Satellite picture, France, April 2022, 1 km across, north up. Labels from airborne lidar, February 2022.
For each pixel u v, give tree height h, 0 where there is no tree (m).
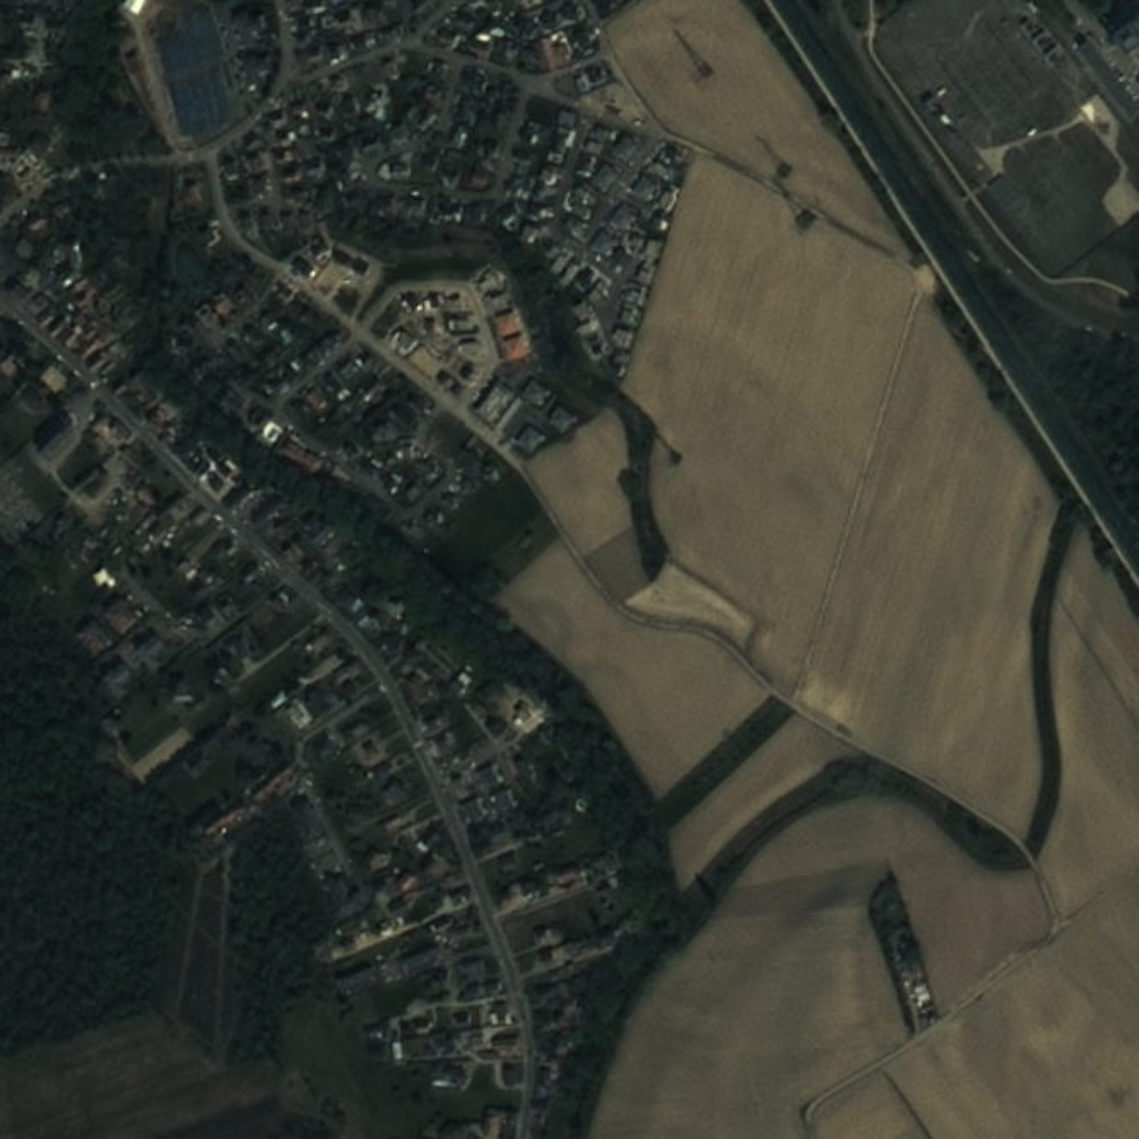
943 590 0
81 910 18
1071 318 0
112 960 17
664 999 0
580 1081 23
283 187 0
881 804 0
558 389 0
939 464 0
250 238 0
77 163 13
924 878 0
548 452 0
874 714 0
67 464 0
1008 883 0
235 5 0
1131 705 0
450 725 0
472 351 0
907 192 0
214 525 0
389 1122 0
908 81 0
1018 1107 0
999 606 0
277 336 0
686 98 0
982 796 0
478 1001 0
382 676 0
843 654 0
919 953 20
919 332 0
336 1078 0
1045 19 0
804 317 0
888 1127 0
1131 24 0
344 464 0
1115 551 10
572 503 0
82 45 23
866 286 0
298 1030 0
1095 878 0
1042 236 0
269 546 0
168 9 0
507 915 0
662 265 0
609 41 0
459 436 0
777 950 0
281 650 0
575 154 0
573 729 19
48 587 0
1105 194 0
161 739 0
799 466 0
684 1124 0
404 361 0
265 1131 0
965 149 0
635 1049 0
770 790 0
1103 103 0
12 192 0
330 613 0
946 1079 0
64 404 11
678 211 0
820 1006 0
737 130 0
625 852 13
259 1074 0
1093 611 0
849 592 0
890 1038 0
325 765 0
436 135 7
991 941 0
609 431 0
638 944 21
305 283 0
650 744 0
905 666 0
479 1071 0
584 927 0
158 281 17
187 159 0
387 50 0
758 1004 0
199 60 0
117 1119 0
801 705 0
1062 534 7
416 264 0
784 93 0
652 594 0
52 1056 0
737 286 0
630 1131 0
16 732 24
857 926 0
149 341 8
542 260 0
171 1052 0
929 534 0
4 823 19
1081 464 0
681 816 0
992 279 15
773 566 0
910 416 0
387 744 0
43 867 18
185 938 0
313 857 0
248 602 0
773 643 0
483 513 0
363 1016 0
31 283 0
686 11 0
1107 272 0
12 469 0
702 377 0
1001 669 0
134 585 0
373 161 0
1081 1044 0
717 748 0
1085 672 0
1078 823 0
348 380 0
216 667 11
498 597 0
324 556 0
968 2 0
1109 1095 0
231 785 0
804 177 0
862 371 0
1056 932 0
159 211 0
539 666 18
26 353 23
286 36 0
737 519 0
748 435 0
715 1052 0
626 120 0
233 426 17
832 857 0
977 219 0
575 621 0
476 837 13
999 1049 0
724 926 0
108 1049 0
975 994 0
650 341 0
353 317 0
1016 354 0
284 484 11
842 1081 0
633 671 0
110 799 15
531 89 0
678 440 0
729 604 0
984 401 0
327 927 10
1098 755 0
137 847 12
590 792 18
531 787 9
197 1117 0
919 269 0
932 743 0
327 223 0
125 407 0
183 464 0
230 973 0
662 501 0
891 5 21
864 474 0
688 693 0
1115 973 0
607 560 0
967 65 0
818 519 0
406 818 0
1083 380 11
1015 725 0
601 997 20
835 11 0
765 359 0
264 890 17
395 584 12
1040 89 0
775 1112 0
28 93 8
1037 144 0
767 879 0
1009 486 0
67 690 15
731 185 0
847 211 0
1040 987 0
